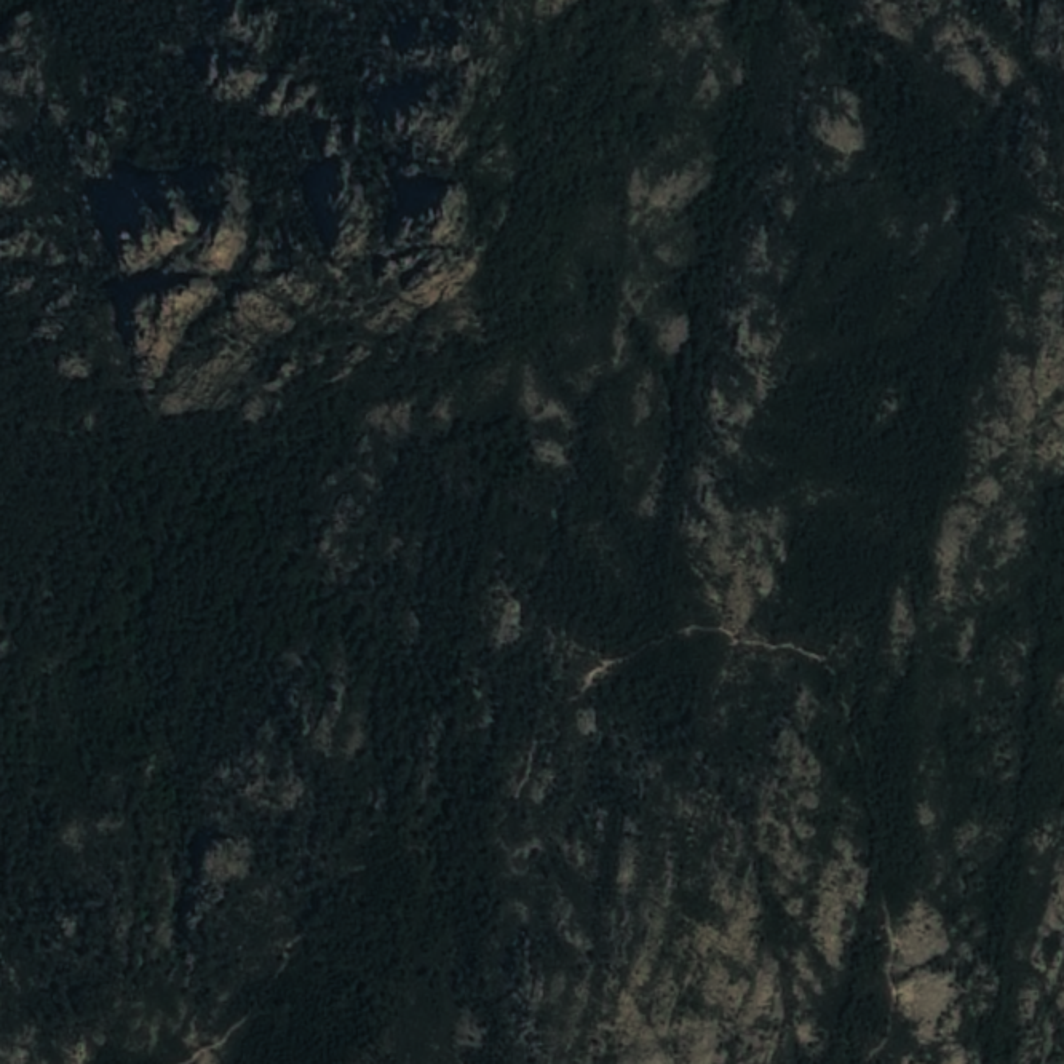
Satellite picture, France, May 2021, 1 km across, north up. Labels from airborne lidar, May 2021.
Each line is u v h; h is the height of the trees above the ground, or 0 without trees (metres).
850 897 0
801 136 10
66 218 10
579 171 7
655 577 10
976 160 16
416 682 20
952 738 10
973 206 18
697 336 19
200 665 17
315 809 11
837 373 14
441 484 13
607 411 10
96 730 7
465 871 20
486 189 15
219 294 15
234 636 19
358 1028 8
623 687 13
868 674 10
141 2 11
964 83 13
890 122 12
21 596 18
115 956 12
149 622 19
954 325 16
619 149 12
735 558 0
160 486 20
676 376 19
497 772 16
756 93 16
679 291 12
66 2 16
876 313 11
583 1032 0
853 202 10
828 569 11
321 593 21
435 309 13
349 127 6
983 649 10
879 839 15
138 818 20
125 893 11
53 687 13
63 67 6
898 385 16
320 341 10
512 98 6
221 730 16
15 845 20
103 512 22
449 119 8
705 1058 0
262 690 17
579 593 12
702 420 11
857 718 12
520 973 10
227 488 15
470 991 18
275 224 7
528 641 10
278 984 7
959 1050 0
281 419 16
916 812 9
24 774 18
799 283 10
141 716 17
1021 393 0
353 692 19
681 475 18
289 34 10
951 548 0
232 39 8
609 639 12
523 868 0
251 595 25
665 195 0
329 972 8
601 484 13
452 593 14
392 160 22
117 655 7
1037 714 17
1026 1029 10
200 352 18
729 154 13
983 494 0
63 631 18
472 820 22
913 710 19
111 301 14
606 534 8
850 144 0
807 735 15
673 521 10
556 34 18
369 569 14
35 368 20
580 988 0
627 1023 0
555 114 15
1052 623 16
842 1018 13
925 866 13
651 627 9
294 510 8
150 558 13
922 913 0
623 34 18
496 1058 7
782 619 12
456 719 16
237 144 9
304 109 10
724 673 0
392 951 17
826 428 14
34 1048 0
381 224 14
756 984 0
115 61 18
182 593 20
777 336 0
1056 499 17
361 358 7
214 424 16
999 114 10
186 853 16
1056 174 8
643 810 11
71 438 21
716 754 10
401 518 12
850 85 8
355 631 10
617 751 14
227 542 24
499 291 16
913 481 8
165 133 14
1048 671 15
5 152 11
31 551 19
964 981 11
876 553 10
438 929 8
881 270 9
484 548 12
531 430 9
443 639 10
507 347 13
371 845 8
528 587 8
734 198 16
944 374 14
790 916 9
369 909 18
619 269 7
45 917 12
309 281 9
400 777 21
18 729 14
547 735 7
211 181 31
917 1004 0
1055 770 8
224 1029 0
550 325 10
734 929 0
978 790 13
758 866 9
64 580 20
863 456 11
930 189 13
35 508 21
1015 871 16
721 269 18
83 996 16
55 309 5
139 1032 0
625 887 0
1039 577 10
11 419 22
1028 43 11
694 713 12
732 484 12
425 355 14
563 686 13
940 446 14
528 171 14
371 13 15
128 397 18
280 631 14
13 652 13
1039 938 7
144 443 19
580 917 0
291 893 11
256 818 7
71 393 20
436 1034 0
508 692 13
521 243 19
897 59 13
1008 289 8
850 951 8
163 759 18
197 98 16
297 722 11
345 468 14
